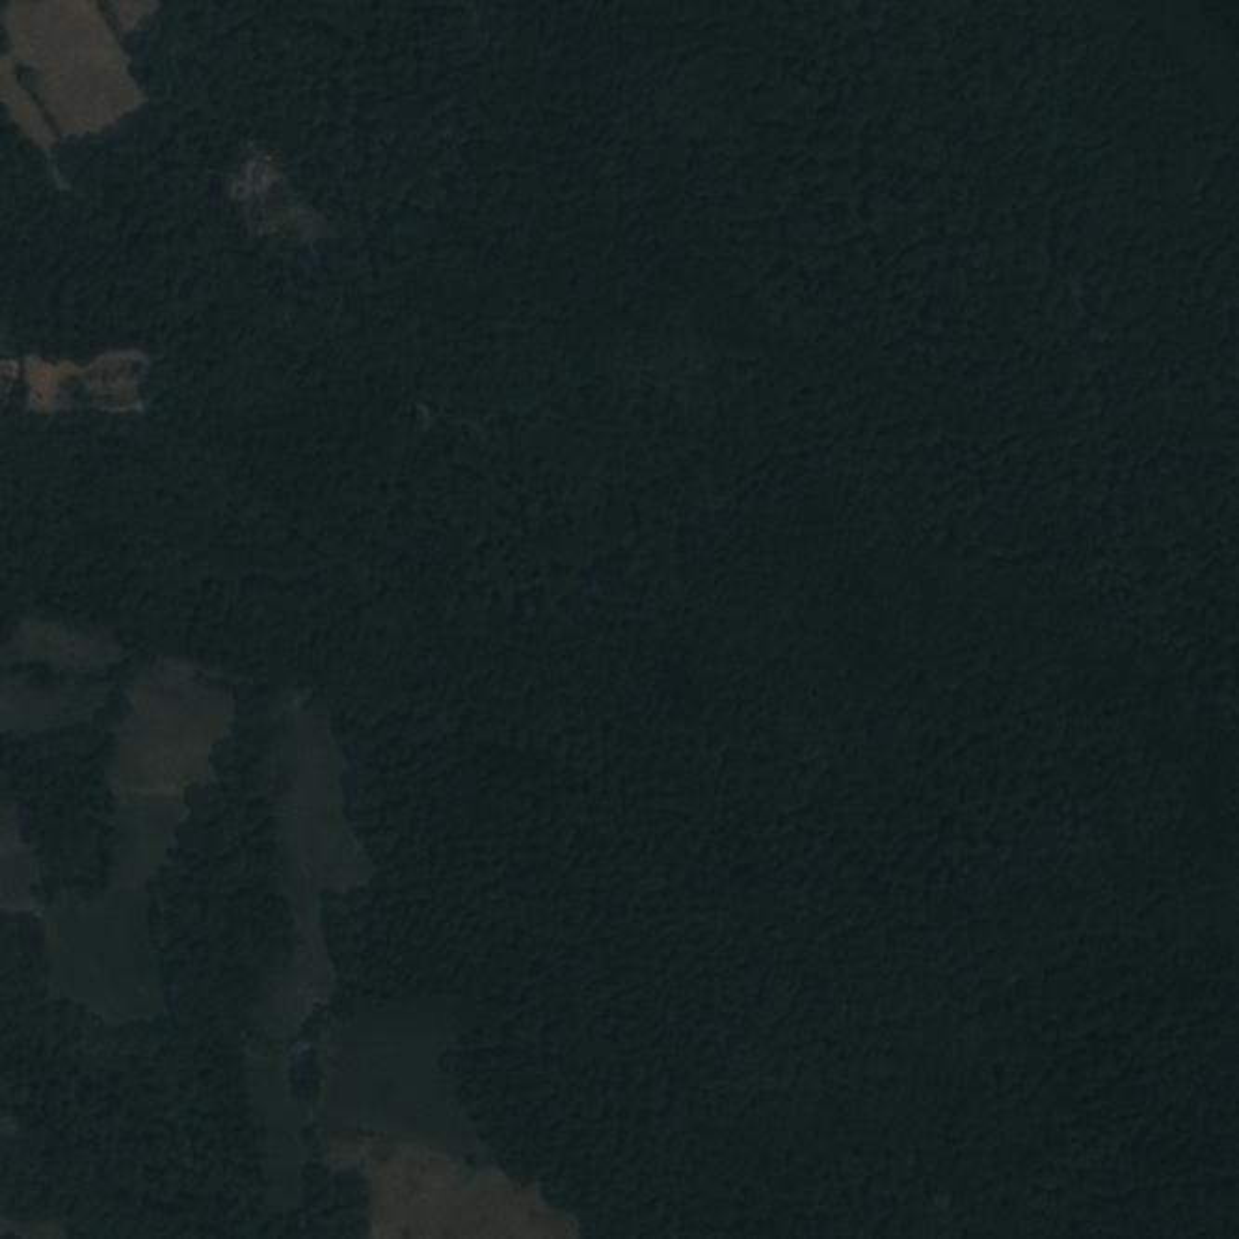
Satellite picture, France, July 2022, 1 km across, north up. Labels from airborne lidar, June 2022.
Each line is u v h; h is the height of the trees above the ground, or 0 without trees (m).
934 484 19
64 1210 19
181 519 26
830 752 25
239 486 26
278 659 25
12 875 0
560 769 15
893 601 21
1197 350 29
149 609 27
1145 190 30
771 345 26
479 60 35
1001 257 30
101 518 23
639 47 31
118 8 0
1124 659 24
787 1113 22
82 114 0
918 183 27
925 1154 30
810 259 25
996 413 29
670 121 28
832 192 14
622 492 27
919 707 20
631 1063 21
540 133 30
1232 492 25
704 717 19
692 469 26
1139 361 21
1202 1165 13
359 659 26
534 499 21
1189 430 24
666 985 21
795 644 24
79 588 19
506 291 22
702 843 15
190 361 26
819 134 33
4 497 23
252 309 27
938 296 35
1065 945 19
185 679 0
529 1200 0
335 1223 23
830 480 23
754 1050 19
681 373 22
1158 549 24
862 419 27
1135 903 20
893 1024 21
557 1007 26
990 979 20
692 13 28
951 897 19
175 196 32
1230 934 22
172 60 27
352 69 21
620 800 12
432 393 25
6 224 25
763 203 27
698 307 25
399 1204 0
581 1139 16
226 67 33
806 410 22
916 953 25
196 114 28
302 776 0
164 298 29
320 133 34
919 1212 32
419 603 21
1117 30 25
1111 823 27
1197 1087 6
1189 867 22
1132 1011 19
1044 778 26
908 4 29
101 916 0
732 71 28
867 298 25
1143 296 29
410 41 8
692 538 25
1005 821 6
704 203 27
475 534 24
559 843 16
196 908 32
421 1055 0
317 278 26
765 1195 28
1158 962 16
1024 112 35
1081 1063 21
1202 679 22
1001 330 29
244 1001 24
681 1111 22
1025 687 21
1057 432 25
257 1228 23
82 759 22
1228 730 26
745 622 23
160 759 0
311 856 0
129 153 28
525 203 31
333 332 14
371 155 34
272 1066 0
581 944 21
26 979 24
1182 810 20
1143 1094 20
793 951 17
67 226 31
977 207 25
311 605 23
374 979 17
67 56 0
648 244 26
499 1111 16
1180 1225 31
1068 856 28
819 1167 25
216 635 28
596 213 34
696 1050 18
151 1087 22
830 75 9
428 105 28
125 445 21
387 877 13
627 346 23
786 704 24
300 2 35
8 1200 16
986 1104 30
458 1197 0
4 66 0
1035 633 24
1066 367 31
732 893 14
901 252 25
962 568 17
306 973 0
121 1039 20
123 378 0
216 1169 27
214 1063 17
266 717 25
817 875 12
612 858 17
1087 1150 14
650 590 27
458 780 20
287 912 17
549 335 19
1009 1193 29
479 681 29
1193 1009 17
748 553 22
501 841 21
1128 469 17
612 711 17
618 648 22
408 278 24
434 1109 0
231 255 24
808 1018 20
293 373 23
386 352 24
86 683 9
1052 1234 36
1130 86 28
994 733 25
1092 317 24
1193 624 15
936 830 28
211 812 15
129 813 0
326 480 27
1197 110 21
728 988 15
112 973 0
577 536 28
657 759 16
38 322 30
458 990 19
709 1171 22
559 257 24
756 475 10
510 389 24
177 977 27
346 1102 0
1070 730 22
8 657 0
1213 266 30
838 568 22
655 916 24
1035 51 32
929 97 25
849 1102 24
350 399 25
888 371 32
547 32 28
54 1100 27
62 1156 29
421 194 34
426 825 12
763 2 30
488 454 9
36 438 19
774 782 27
